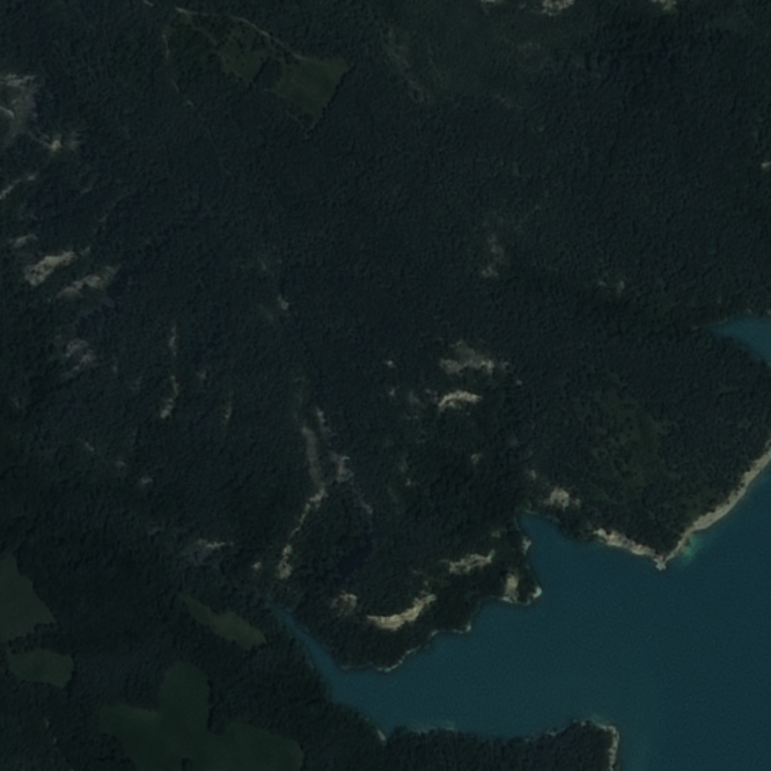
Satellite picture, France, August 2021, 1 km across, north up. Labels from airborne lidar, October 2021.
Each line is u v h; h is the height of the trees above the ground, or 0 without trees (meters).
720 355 14
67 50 7
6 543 23
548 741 8
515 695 0
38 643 18
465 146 12
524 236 6
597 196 10
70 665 0
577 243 9
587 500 7
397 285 14
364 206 14
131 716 0
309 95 0
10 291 19
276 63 7
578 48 8
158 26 13
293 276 14
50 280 8
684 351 13
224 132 16
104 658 15
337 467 6
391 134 12
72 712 18
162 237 19
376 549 8
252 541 17
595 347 8
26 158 11
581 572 0
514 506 16
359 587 11
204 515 16
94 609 15
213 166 12
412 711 0
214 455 14
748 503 0
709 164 12
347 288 19
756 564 0
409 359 19
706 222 10
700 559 0
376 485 8
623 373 13
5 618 0
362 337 17
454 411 8
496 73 6
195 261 15
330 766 16
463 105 10
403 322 19
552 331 11
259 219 15
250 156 14
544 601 0
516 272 12
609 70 7
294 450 6
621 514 9
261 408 7
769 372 14
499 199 8
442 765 13
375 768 15
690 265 12
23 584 0
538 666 0
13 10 8
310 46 8
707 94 17
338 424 18
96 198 17
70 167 6
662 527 10
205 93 13
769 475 0
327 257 14
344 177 13
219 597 16
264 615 11
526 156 9
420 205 9
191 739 0
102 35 13
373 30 9
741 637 0
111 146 18
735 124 13
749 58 11
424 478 15
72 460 12
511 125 6
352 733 13
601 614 0
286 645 13
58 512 9
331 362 17
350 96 15
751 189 9
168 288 23
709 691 0
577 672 0
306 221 15
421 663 0
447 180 11
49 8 7
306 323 17
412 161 11
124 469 6
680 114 17
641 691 0
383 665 8
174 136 9
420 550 13
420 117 7
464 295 14
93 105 12
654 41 16
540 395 8
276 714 15
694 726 0
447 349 11
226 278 18
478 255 6
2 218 9
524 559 11
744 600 0
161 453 13
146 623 21
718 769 0
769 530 0
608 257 10
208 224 16
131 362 11
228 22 9
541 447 7
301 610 13
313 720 19
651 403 10
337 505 13
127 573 21
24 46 10
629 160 13
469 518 12
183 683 0
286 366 7
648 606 0
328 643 9
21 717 18
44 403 18
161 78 10
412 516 8
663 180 7
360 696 0
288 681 20
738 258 8
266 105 9
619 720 0
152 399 15
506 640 0
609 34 11
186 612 13
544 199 11
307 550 14
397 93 9
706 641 0
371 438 16
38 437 7
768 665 0
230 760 0
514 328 12
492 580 15
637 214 10
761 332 0
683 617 0
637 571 0
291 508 16
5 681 20
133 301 18
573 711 0
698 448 7
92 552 11
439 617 16
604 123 10
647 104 14
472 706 0
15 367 18
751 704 0
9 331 15
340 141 13
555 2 11
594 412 6
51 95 14
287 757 0
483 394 10
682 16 16
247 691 16
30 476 21
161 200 18
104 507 9
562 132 10
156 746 0
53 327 11
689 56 14
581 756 9
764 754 0
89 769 17
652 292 15
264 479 13
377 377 16
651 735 0
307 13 7
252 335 11
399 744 16
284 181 14
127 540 17
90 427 13
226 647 21
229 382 8
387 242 12
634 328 17
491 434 13
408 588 12
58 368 11
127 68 6
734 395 8
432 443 12
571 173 16
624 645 0
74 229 19
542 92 8
